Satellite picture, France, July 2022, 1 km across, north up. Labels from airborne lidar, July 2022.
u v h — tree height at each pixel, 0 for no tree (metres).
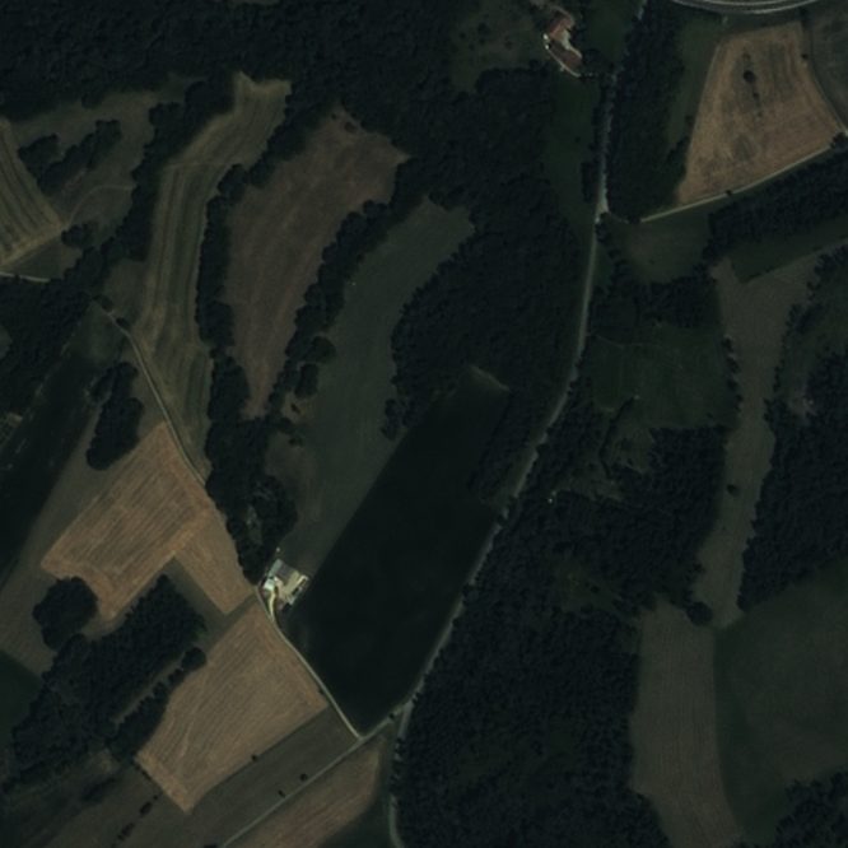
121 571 0
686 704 0
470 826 36
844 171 24
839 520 26
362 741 0
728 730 0
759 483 0
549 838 36
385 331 0
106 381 13
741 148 0
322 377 0
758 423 0
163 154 15
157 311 0
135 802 0
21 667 0
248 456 19
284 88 0
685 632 0
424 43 25
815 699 0
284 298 0
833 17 0
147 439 0
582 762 7
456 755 14
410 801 6
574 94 0
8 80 20
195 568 0
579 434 6
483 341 17
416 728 10
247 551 15
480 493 20
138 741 19
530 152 25
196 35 22
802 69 0
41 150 18
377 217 18
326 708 0
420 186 21
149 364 0
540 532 15
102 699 13
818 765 0
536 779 5
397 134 18
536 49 0
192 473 0
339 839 0
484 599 19
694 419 0
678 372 0
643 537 22
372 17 25
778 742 0
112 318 0
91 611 19
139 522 0
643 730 0
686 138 6
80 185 0
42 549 0
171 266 0
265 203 0
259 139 0
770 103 0
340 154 0
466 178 25
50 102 18
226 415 14
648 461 0
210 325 13
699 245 0
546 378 20
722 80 0
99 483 0
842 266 23
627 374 0
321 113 18
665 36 20
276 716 0
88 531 0
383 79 21
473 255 20
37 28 16
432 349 19
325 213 0
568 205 0
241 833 0
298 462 0
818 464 25
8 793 19
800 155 0
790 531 27
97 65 20
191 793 0
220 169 0
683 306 19
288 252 0
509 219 17
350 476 0
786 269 0
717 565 0
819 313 16
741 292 0
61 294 17
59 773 19
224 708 0
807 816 22
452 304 20
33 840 0
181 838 0
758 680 0
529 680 23
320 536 0
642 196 20
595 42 0
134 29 18
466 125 25
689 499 18
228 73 15
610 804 20
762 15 0
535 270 19
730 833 0
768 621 0
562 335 20
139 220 19
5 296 15
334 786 0
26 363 12
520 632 22
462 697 11
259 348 0
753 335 0
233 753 0
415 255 0
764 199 19
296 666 0
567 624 15
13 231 0
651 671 0
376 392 0
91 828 0
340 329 0
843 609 0
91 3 21
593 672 25
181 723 0
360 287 0
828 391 25
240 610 0
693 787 0
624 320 0
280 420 14
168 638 17
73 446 0
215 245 18
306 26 22
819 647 0
